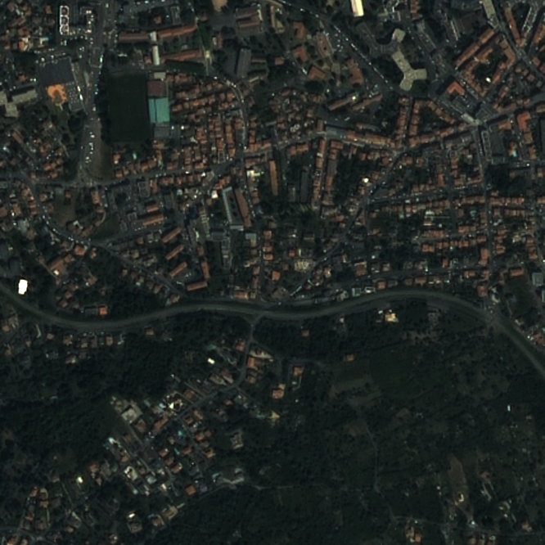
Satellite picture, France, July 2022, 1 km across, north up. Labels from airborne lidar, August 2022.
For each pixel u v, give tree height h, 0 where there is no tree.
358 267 0
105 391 8
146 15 7
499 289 16
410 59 7
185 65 15
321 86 10
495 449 7
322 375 7
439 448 8
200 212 0
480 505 7
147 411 7
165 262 8
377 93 0
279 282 6
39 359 7
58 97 0
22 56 7
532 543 0
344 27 7
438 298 0
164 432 9
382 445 7
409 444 7
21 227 0
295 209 12
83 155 0
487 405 10
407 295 0
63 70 0
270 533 7
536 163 0
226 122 0
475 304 6
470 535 0
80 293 17
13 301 0
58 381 6
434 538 0
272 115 6
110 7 0
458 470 0
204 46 13
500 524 10
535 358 0
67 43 10
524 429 0
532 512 0
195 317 9
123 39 0
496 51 6
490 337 7
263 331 9
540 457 6
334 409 8
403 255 16
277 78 8
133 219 0
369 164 13
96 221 0
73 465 0
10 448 17
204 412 13
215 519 13
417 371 6
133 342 8
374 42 0
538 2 0
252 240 0
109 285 11
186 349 6
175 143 14
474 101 0
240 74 0
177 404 0
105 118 14
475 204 8
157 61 0
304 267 0
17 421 17
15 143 6
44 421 11
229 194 0
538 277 0
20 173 0
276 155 15
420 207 0
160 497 0
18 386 6
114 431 0
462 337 7
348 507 8
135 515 5
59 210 0
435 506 6
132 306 11
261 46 16
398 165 0
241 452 8
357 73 0
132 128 0
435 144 7
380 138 0
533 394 6
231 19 0
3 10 9
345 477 8
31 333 7
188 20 17
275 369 0
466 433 8
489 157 0
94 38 0
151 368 7
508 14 0
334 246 7
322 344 9
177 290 6
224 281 8
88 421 6
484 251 0
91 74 0
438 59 0
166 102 0
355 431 0
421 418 6
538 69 7
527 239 0
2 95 0
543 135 0
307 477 9
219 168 0
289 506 0
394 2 0
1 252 0
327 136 0
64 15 0
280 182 12
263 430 0
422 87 8
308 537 6
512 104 0
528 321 7
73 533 8
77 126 18
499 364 9
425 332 7
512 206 0
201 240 0
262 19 0
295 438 10
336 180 6
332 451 6
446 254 6
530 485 11
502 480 5
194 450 8
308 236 0
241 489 9
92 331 0
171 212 11
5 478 19
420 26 0
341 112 11
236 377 16
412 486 7
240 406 9
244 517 7
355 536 9
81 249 0
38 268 13
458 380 9
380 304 0
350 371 0
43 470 10
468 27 0
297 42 0
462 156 7
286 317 0
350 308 0
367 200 0
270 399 8
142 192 0
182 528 10
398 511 0
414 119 0
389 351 6
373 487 9
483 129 0
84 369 9
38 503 6
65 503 10
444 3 9
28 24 6
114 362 7
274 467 6
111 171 0
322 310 0
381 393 6
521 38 0
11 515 9
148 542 13
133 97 0
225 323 11
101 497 16
